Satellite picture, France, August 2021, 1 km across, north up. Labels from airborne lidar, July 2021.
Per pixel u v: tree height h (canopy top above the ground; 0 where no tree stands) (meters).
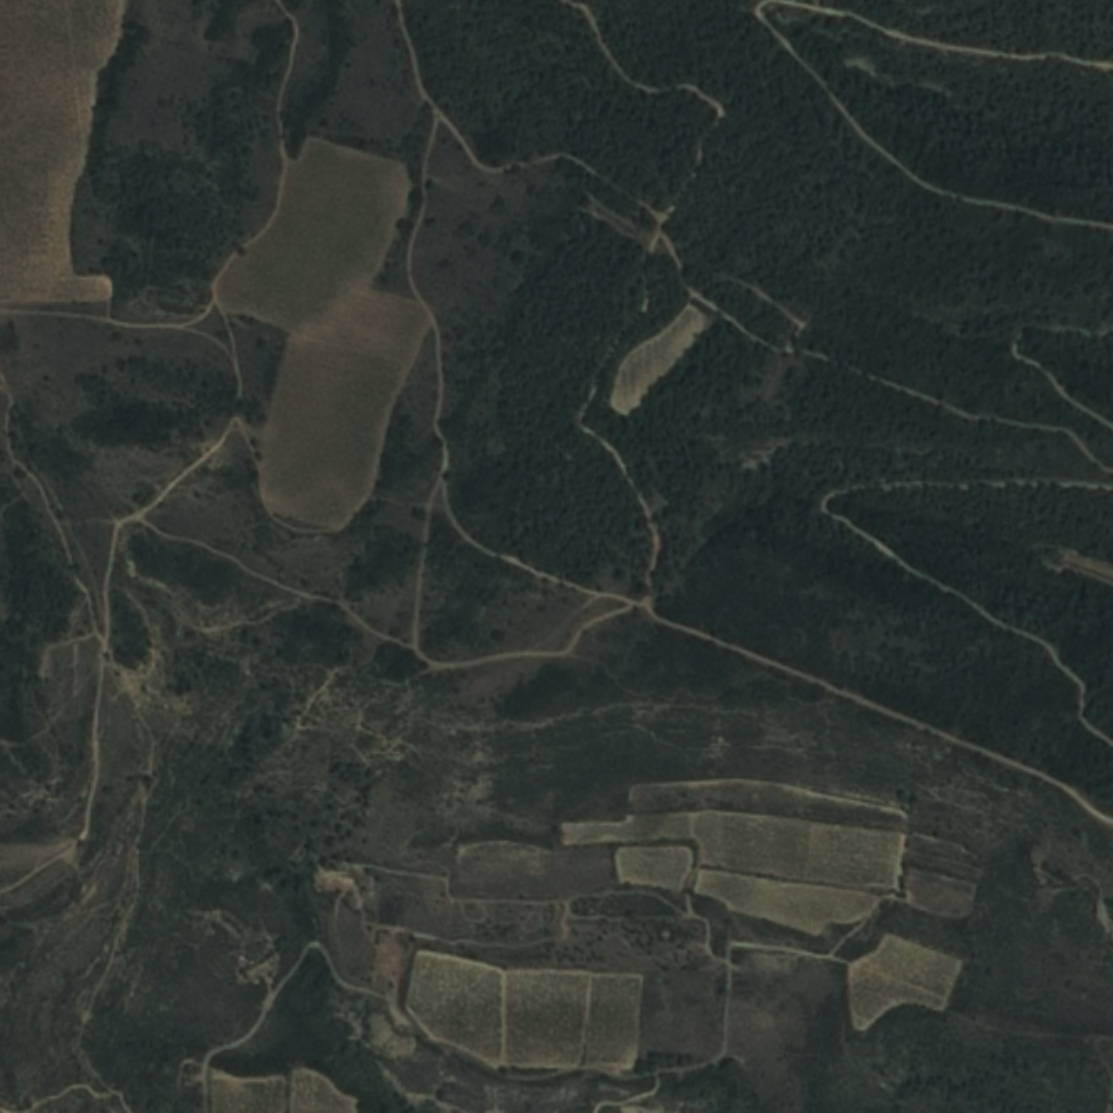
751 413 11
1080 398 11
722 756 0
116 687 0
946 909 0
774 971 0
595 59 11
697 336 7
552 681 0
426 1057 0
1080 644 9
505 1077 7
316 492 0
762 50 16
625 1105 0
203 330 0
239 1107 0
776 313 12
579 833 0
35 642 8
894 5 11
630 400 0
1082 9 12
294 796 0
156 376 7
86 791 0
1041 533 13
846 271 10
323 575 0
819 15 6
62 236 0
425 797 0
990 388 8
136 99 0
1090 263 10
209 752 9
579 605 0
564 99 10
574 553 11
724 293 10
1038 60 8
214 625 0
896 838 0
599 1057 0
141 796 0
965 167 12
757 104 9
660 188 8
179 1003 0
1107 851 0
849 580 8
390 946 0
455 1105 0
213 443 0
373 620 0
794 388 6
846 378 10
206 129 9
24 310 0
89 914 0
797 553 6
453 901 0
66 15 0
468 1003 0
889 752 0
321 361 0
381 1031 0
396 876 0
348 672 0
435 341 0
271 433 0
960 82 11
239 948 0
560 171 9
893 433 7
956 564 7
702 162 7
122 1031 0
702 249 11
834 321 8
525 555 11
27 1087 0
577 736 0
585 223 8
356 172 0
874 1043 0
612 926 0
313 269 0
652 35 11
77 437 0
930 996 0
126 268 8
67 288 0
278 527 0
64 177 0
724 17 13
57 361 0
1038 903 0
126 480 0
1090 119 13
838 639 0
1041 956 0
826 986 0
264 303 0
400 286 0
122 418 7
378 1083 12
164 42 0
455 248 0
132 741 0
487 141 7
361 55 0
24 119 0
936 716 8
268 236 0
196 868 0
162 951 0
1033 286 11
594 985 0
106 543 0
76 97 0
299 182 0
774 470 12
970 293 6
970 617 8
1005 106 14
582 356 7
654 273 11
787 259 8
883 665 6
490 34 7
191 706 0
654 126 12
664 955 0
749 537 10
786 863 0
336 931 0
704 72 8
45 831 0
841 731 0
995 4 8
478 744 0
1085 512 15
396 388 0
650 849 0
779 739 0
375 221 0
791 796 0
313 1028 8
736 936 0
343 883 0
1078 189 13
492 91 9
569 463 11
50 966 0
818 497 14
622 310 13
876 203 10
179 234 8
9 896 0
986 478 13
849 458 10
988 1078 7
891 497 14
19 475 6
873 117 15
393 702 0
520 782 0
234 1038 0
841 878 0
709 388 11
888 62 10
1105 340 9
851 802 0
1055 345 18
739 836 0
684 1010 0
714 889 0
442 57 8
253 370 0
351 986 0
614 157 12
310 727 0
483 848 0
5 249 0
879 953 0
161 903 0
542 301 7
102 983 0
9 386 0
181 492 0
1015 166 8
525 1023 0
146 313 0
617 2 10
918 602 9
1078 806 0
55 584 7
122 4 0
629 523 12
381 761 0
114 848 0
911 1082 7
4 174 0
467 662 0
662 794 0
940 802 0
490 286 0
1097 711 11
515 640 0
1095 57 9
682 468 9
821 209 11
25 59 0
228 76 0
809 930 0
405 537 6
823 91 13
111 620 0
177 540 0
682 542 9
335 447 0
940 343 8
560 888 0
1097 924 0
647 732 0
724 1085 6
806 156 14
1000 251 8
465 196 0
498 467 7
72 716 0
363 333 0
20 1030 0
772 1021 0
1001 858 0
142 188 9
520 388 7
